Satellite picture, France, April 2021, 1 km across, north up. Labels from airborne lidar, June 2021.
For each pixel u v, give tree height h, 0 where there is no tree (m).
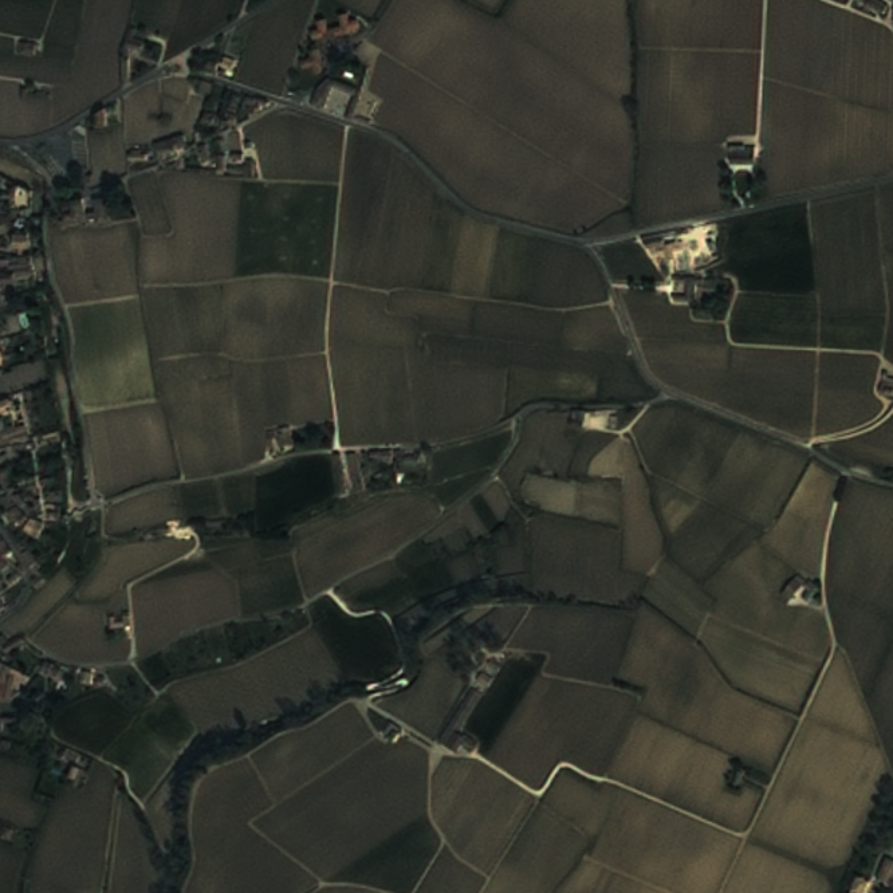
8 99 0
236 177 0
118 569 0
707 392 0
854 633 0
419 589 0
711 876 0
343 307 0
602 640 0
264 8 0
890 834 20
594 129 0
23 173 0
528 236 0
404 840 0
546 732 0
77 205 0
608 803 0
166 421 0
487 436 0
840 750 0
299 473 0
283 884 0
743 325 0
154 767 0
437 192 0
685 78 0
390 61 0
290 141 0
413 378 0
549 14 0
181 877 12
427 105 0
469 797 0
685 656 0
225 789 0
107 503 0
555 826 0
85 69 0
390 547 0
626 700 0
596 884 0
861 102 0
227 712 0
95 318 0
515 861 0
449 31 0
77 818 0
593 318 0
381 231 0
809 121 0
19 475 12
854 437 0
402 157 0
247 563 0
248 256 0
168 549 0
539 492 0
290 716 27
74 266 0
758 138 0
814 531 0
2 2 0
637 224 0
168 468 0
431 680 0
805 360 0
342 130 0
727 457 0
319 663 0
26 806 0
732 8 0
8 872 0
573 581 0
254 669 0
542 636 0
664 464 0
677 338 0
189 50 0
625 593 0
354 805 0
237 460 0
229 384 0
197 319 0
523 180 0
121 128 0
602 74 0
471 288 0
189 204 0
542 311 0
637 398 0
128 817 0
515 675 0
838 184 0
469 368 0
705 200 0
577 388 0
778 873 0
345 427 0
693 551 0
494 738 0
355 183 0
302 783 0
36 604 0
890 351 0
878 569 0
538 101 0
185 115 0
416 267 0
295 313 0
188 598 0
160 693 10
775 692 0
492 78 0
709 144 0
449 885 0
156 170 0
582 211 0
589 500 0
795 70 0
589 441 0
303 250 0
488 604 11
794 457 0
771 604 0
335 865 0
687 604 0
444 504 0
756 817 0
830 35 0
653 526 0
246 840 0
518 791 0
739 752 0
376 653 0
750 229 0
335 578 0
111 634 12
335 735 0
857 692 0
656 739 0
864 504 0
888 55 0
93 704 0
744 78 0
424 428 0
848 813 0
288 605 0
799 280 0
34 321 13
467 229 0
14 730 15
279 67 0
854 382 0
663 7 0
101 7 0
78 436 7
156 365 0
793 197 0
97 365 0
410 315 0
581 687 0
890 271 0
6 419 7
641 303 0
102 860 0
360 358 0
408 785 0
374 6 0
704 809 0
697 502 0
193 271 0
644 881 0
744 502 0
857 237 0
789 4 0
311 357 0
